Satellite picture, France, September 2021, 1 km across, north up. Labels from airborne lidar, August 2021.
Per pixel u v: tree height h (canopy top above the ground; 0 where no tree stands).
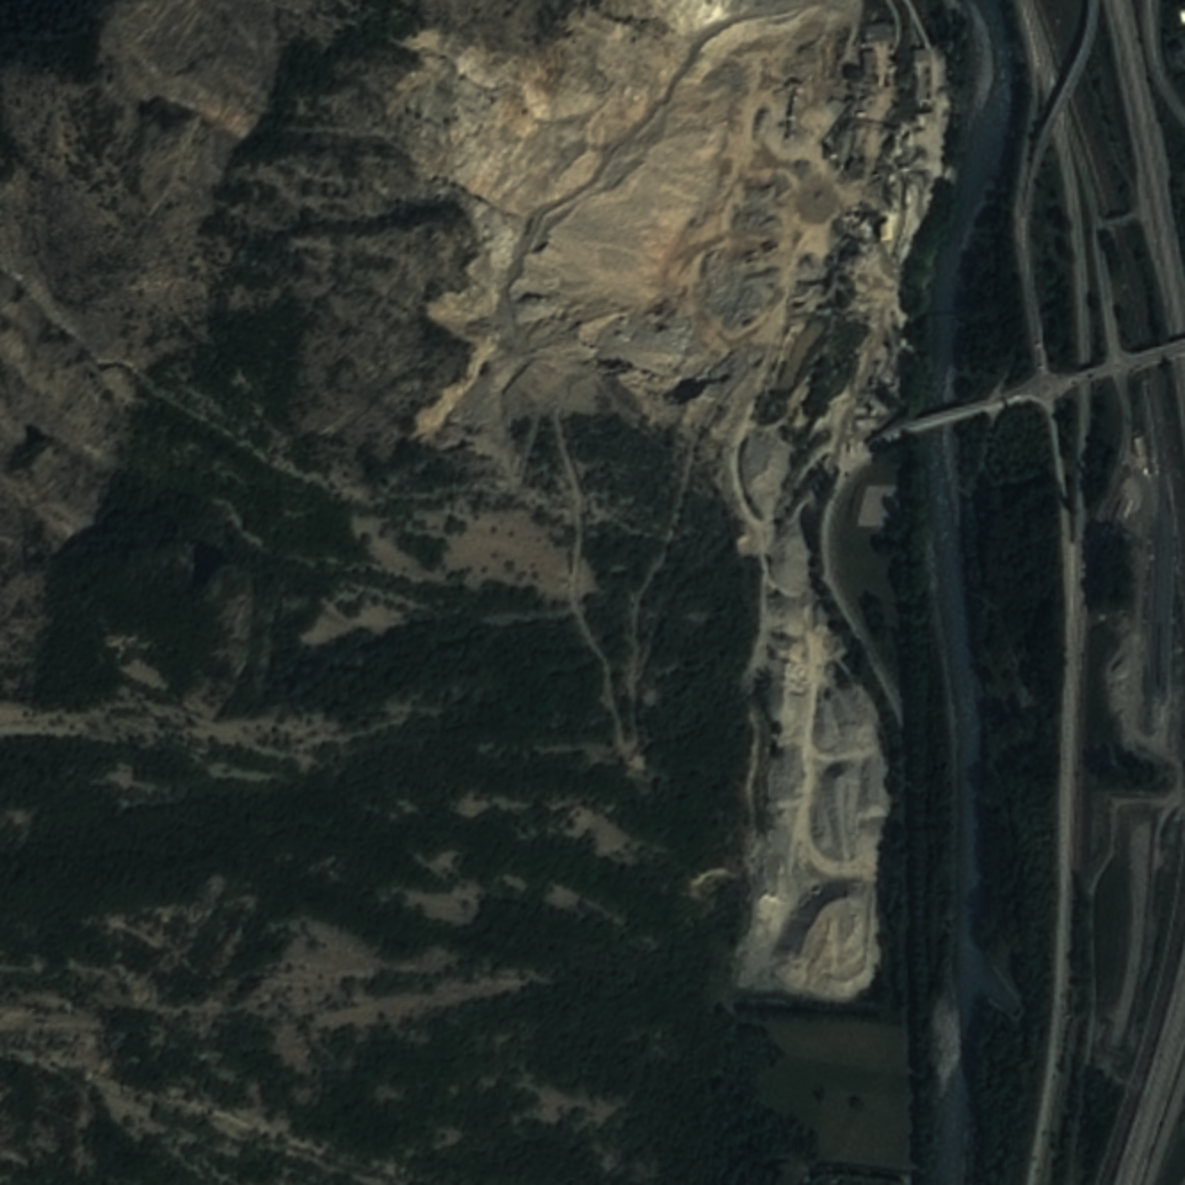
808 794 0
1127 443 0
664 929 9
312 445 7
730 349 0
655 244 0
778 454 0
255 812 10
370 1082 6
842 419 0
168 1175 6
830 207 0
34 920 8
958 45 9
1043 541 24
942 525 0
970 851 0
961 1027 0
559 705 9
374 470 13
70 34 7
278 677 12
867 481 0
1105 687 0
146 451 9
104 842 12
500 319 0
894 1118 0
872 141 0
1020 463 9
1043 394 0
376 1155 6
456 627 7
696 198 0
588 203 0
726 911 12
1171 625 0
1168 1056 0
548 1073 8
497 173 0
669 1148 9
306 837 9
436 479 6
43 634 8
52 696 8
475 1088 8
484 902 9
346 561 5
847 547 0
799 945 0
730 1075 16
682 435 6
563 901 0
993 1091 11
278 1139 7
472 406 0
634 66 0
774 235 0
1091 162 0
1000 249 15
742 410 0
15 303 8
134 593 6
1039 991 9
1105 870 0
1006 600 20
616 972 8
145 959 7
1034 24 0
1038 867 7
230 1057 12
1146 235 0
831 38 0
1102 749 0
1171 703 0
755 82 0
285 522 9
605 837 0
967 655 0
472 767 8
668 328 0
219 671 7
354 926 10
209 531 6
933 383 0
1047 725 17
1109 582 28
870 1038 0
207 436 7
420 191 0
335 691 14
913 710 20
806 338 0
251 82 0
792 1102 0
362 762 6
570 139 0
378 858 11
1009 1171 11
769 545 0
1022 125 10
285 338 6
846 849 0
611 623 7
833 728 0
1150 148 0
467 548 0
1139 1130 0
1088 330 0
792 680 0
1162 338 15
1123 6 0
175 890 13
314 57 10
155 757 7
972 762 0
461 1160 6
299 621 10
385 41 9
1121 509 0
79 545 18
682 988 9
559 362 0
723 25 0
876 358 0
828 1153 0
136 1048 8
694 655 10
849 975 0
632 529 8
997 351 10
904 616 11
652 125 0
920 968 17
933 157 0
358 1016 0
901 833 13
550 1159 9
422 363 7
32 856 13
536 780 9
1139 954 0
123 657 7
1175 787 0
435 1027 6
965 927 0
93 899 12
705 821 7
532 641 9
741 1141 17
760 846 0
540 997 9
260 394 6
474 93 0
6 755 9
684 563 7
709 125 0
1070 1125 14
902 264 0
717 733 9
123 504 9
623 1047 7
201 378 10
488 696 6
